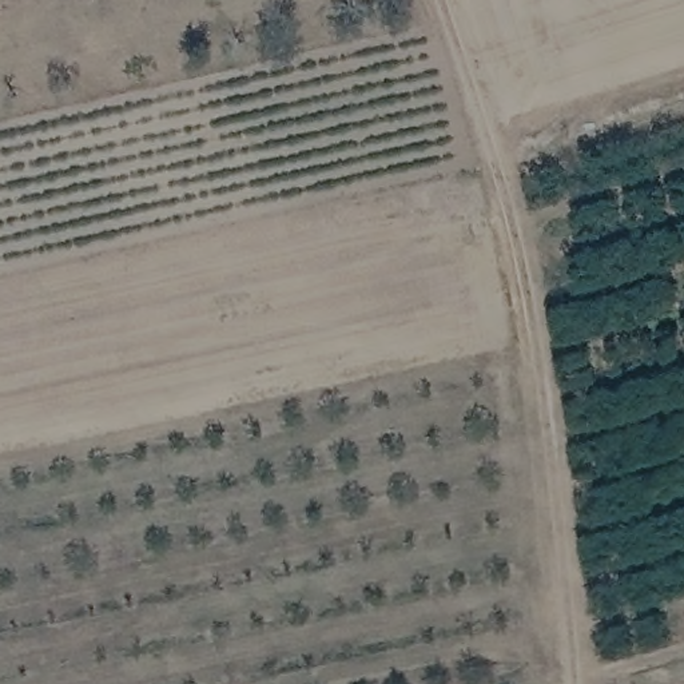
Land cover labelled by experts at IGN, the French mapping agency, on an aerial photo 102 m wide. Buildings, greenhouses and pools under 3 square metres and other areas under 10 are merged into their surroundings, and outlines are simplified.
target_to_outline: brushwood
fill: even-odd
[[[118,163],[131,163],[152,155],[195,150],[203,147],[203,139],[0,182],[0,190],[53,182],[80,171],[110,168]]]
[[[267,195],[251,195],[232,203],[216,203],[208,208],[195,208],[174,216],[160,216],[150,222],[136,222],[126,227],[112,227],[91,235],[77,235],[67,240],[0,254],[0,262],[88,246],[96,240],[112,240],[120,235],[214,216],[243,206],[273,203],[363,179],[425,168],[452,160],[452,152],[414,158],[393,166],[321,179],[302,187],[275,190]]]
[[[0,219],[0,227],[72,208],[88,208],[110,200],[147,195],[158,190],[158,184],[131,187],[123,192],[72,200]]]
[[[422,126],[371,134],[366,139],[337,142],[291,155],[262,158],[243,166],[216,168],[195,176],[168,179],[168,187],[211,182],[267,166],[363,147],[385,139],[446,128],[446,120],[433,120]]]
[[[436,77],[438,69],[371,80],[342,91],[222,115],[208,123],[152,131],[142,136],[88,144],[56,155],[43,155],[35,160],[0,166],[0,174],[64,158],[104,152],[115,147],[128,147],[136,142],[168,139],[208,126],[240,123],[281,110],[363,94],[371,88]]]
[[[417,91],[377,96],[369,102],[353,102],[331,110],[267,120],[259,126],[230,131],[219,139],[251,136],[283,126],[313,123],[331,115],[430,96],[441,91],[441,86],[428,86]]]
[[[452,136],[411,142],[366,155],[259,176],[251,182],[184,192],[176,198],[160,198],[150,203],[136,203],[126,208],[112,208],[102,214],[75,216],[0,235],[0,243],[83,227],[104,219],[131,216],[176,203],[190,203],[211,195],[227,195],[283,179],[299,179],[307,174],[414,152],[425,147],[441,147],[449,144]]]
[[[262,99],[270,94],[286,94],[366,72],[393,69],[401,64],[411,64],[411,56],[401,56],[297,83],[259,88],[251,94],[200,102],[198,107],[166,110],[163,118],[182,118],[198,110],[203,112],[214,107]]]
[[[203,91],[222,91],[230,86],[243,86],[289,72],[286,67],[259,69],[251,75],[206,83],[200,88],[168,91],[150,99],[134,99],[88,112],[72,112],[27,126],[0,128],[0,139],[59,128],[69,123],[86,123],[171,99],[190,99]]]
[[[305,139],[355,131],[377,123],[444,112],[446,104],[438,102],[398,110],[366,120],[337,123],[329,128],[267,139],[259,144],[216,150],[211,155],[184,158],[174,163],[160,163],[150,168],[136,168],[115,176],[75,182],[67,187],[0,200],[0,208],[48,200],[56,195],[69,195],[150,174],[214,163],[222,158],[235,158],[257,150],[286,147]]]
[[[307,59],[302,61],[302,69],[371,56],[382,51],[425,45],[425,37],[409,37],[401,43],[379,43],[323,59]]]
[[[0,150],[0,155],[59,144],[61,136],[11,144]]]

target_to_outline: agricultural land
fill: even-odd
[[[251,182],[259,176],[366,155],[411,142],[452,136],[449,144],[441,147],[425,147],[414,152],[307,174],[299,179],[283,179],[227,195],[211,195],[190,203],[176,203],[131,216],[104,219],[83,227],[0,243],[0,254],[67,240],[77,235],[91,235],[112,227],[126,227],[136,222],[150,222],[160,216],[174,216],[195,208],[208,208],[216,203],[232,203],[251,195],[267,195],[275,190],[302,187],[321,179],[393,166],[414,158],[452,152],[452,160],[425,168],[363,179],[273,203],[243,206],[214,216],[120,235],[112,240],[96,240],[88,246],[0,262],[0,452],[56,446],[69,438],[94,438],[110,430],[166,419],[176,428],[179,417],[208,414],[214,409],[267,398],[283,398],[297,395],[305,390],[337,387],[363,377],[406,371],[449,358],[468,358],[489,350],[502,350],[508,345],[505,313],[505,299],[494,267],[492,235],[486,227],[481,227],[481,187],[473,179],[484,174],[484,160],[497,163],[500,174],[516,168],[502,150],[502,139],[494,128],[497,123],[510,123],[513,115],[529,112],[534,107],[569,104],[574,99],[585,99],[601,91],[617,91],[620,86],[628,86],[633,80],[644,80],[684,67],[684,0],[446,0],[452,24],[460,37],[457,48],[452,43],[446,45],[436,11],[428,0],[411,0],[409,27],[403,27],[401,32],[390,32],[385,24],[377,21],[363,21],[358,37],[339,40],[334,24],[329,21],[334,16],[331,0],[294,0],[294,16],[299,21],[302,37],[297,53],[291,59],[259,59],[259,8],[265,0],[0,0],[0,128],[27,126],[72,112],[88,112],[134,99],[150,99],[168,91],[200,88],[206,83],[251,75],[259,69],[286,67],[289,72],[243,86],[230,86],[222,91],[203,91],[190,99],[171,99],[86,123],[69,123],[59,128],[0,139],[0,150],[11,144],[61,136],[59,144],[0,155],[0,166],[35,160],[43,155],[56,155],[88,144],[142,136],[152,131],[208,123],[222,115],[342,91],[371,80],[438,69],[436,77],[371,88],[363,94],[281,110],[240,123],[208,126],[168,139],[136,142],[128,147],[115,147],[104,152],[64,158],[0,174],[0,182],[203,139],[203,147],[195,150],[152,155],[131,163],[118,163],[110,168],[80,171],[53,182],[0,190],[0,200],[67,187],[75,182],[115,176],[136,168],[150,168],[160,163],[174,163],[184,158],[211,155],[216,150],[259,144],[267,139],[329,128],[337,123],[366,120],[398,110],[438,102],[446,104],[444,112],[377,123],[355,131],[305,139],[286,147],[257,150],[235,158],[222,158],[214,163],[150,174],[69,195],[56,195],[48,200],[0,208],[0,219],[72,200],[123,192],[131,187],[158,184],[158,190],[147,195],[110,200],[88,208],[72,208],[0,227],[0,235],[75,216],[102,214],[112,208],[126,208],[136,203],[150,203],[160,198],[176,198],[184,192]],[[182,37],[190,27],[198,24],[206,24],[208,59],[200,75],[192,77],[184,69],[187,53],[182,48]],[[323,59],[379,43],[401,43],[409,37],[425,37],[425,45],[382,51],[371,56],[302,69],[302,61],[307,59]],[[401,56],[411,56],[411,64],[401,64],[393,69],[366,72],[286,94],[270,94],[262,99],[214,107],[203,112],[198,110],[182,118],[163,118],[166,110],[198,107],[200,102],[251,94],[259,88],[297,83]],[[77,64],[80,72],[69,83],[48,86],[48,61]],[[441,91],[430,96],[331,115],[313,123],[283,126],[251,136],[219,139],[230,131],[259,126],[267,120],[331,110],[353,102],[369,102],[377,96],[417,91],[428,86],[441,86]],[[446,128],[385,139],[363,147],[267,166],[211,182],[168,187],[168,179],[195,176],[216,168],[243,166],[262,158],[291,155],[337,142],[366,139],[371,134],[422,126],[433,120],[446,120]]]

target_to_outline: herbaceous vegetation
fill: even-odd
[[[676,331],[684,334],[684,262],[676,262],[671,273],[676,278],[673,302],[657,305],[657,313],[665,321],[660,321],[657,326],[617,331],[623,342],[641,339],[649,347],[660,347],[665,339],[673,339]]]
[[[620,86],[617,91],[601,91],[585,99],[574,99],[569,104],[534,107],[529,112],[513,115],[510,123],[497,123],[494,128],[502,139],[502,150],[516,168],[521,182],[532,179],[537,171],[556,166],[572,174],[585,152],[599,155],[607,144],[615,142],[644,142],[665,128],[684,123],[684,67],[644,80],[633,80],[628,86]]]
[[[623,187],[625,192],[644,192],[663,190],[673,182],[684,182],[684,168]]]
[[[569,273],[564,254],[577,257],[582,251],[609,248],[628,238],[628,227],[615,227],[593,240],[572,243],[574,232],[569,227],[569,206],[582,208],[612,200],[612,190],[577,195],[572,203],[558,198],[556,203],[529,208],[529,216],[542,230],[537,238],[537,251],[542,265],[542,286],[548,291],[545,307],[556,310],[569,302],[569,291],[564,289]]]
[[[302,419],[297,425],[283,422],[283,398],[267,398],[214,409],[208,414],[179,417],[176,428],[166,419],[110,430],[94,438],[69,438],[56,446],[0,452],[0,684],[428,684],[428,665],[446,668],[460,663],[465,655],[492,660],[492,671],[484,673],[481,681],[470,684],[561,684],[561,660],[550,657],[542,649],[540,636],[534,633],[529,607],[532,593],[540,588],[532,476],[545,468],[545,460],[537,406],[524,401],[518,382],[521,358],[516,313],[505,313],[508,345],[502,350],[489,350],[468,358],[449,358],[406,371],[363,377],[337,387],[305,390],[297,395],[302,409]],[[347,398],[347,414],[342,417],[342,422],[329,422],[326,417],[321,417],[318,406],[337,398]],[[470,441],[465,436],[462,422],[476,403],[489,406],[500,417],[497,438]],[[219,449],[174,452],[168,433],[200,436],[206,425],[222,425]],[[395,460],[390,460],[390,457],[387,457],[385,446],[379,444],[379,436],[385,436],[385,433],[393,433],[393,436],[403,436],[403,454],[401,454],[401,457],[395,457]],[[358,465],[353,470],[339,470],[337,465],[334,454],[339,441],[353,441],[358,449]],[[147,454],[142,462],[136,457],[115,457],[107,462],[107,470],[102,473],[91,468],[88,452],[94,446],[104,452],[128,452],[136,444],[147,444]],[[291,478],[294,446],[307,446],[315,454],[313,473],[305,481]],[[53,457],[72,460],[72,476],[67,481],[53,476],[51,481],[27,484],[24,489],[13,484],[13,468],[24,468],[27,473],[40,470],[48,468]],[[179,476],[238,476],[254,470],[257,460],[267,460],[273,465],[273,484],[262,484],[259,478],[254,478],[251,484],[232,486],[227,492],[208,492],[192,497],[190,502],[176,497]],[[476,473],[481,465],[489,465],[492,460],[500,465],[497,492],[486,489]],[[417,500],[395,502],[387,497],[390,476],[398,470],[409,473],[417,481]],[[363,516],[350,516],[347,510],[342,510],[339,489],[347,481],[358,481],[369,489],[369,508]],[[27,529],[29,518],[59,516],[61,502],[72,502],[77,510],[69,526],[45,532]],[[166,550],[152,550],[147,545],[147,526],[163,526],[168,532]],[[83,580],[77,580],[64,561],[64,545],[72,540],[86,540],[91,553],[96,556],[96,566],[88,569]],[[184,596],[168,604],[142,604],[142,596],[158,593],[166,585],[192,585],[208,582],[214,577],[222,577],[222,590]],[[379,607],[371,604],[369,609],[355,615],[321,620],[321,609],[329,607],[334,596],[350,601],[361,596],[366,585],[377,585],[385,590]],[[385,639],[403,639],[422,628],[452,628],[460,612],[465,612],[468,620],[473,620],[489,617],[492,609],[521,612],[521,620],[508,620],[505,631],[500,633],[494,631],[481,636],[460,636],[454,641],[422,641],[409,649],[390,649],[374,655],[374,660],[326,663],[278,676],[262,673],[265,657],[294,663],[323,644],[374,644]]]
[[[671,641],[665,647],[631,657],[639,671],[620,673],[615,679],[596,679],[593,684],[684,684],[684,596],[665,601],[663,609],[636,612],[639,620],[660,623],[665,617]]]
[[[607,377],[604,371],[609,371],[612,366],[604,350],[615,353],[612,334],[607,334],[604,339],[590,339],[590,345],[564,345],[550,353],[553,363],[564,361],[566,355],[582,355],[588,350],[590,366],[601,371],[585,387],[588,398],[593,398],[599,390],[617,390],[633,379],[652,379],[684,369],[684,353],[679,353],[671,363],[623,369],[615,377]]]

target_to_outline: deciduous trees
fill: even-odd
[[[294,0],[265,0],[259,8],[259,59],[291,59],[297,53],[302,37],[299,21],[294,16]]]
[[[222,590],[222,577],[214,577],[208,582],[192,585],[166,585],[158,593],[142,596],[142,604],[168,604],[184,596]]]
[[[88,569],[96,566],[96,556],[91,553],[86,540],[72,540],[64,545],[64,561],[77,580],[83,580]]]
[[[291,478],[305,481],[313,473],[315,454],[307,446],[294,446]]]
[[[334,24],[339,40],[358,37],[363,21],[377,21],[385,24],[390,32],[401,32],[403,27],[409,27],[411,0],[331,0],[334,16],[329,21]]]
[[[302,419],[302,409],[297,395],[283,398],[283,422],[297,425]]]
[[[342,422],[342,417],[347,414],[347,398],[337,398],[318,406],[321,417],[326,417],[329,422]]]
[[[497,438],[500,417],[489,406],[476,403],[462,422],[465,436],[470,441]]]
[[[369,489],[358,481],[347,481],[339,489],[342,510],[347,510],[350,516],[363,516],[369,508]]]
[[[72,460],[53,457],[48,468],[40,470],[27,473],[24,468],[13,468],[13,484],[24,489],[27,484],[51,481],[53,476],[67,481],[72,476]]]
[[[588,350],[582,355],[566,355],[564,361],[553,363],[566,422],[566,460],[574,476],[577,558],[585,580],[588,612],[596,623],[593,647],[601,660],[631,657],[665,647],[671,641],[665,617],[660,623],[639,620],[636,612],[663,609],[665,601],[684,596],[684,369],[652,379],[633,379],[617,390],[599,390],[593,398],[588,398],[585,387],[601,371],[590,366]]]
[[[366,585],[361,596],[350,601],[334,596],[329,607],[321,609],[321,620],[355,615],[369,609],[371,604],[379,607],[385,590],[377,585]]]
[[[219,449],[222,425],[206,425],[200,436],[168,433],[174,452]]]
[[[660,321],[665,321],[657,313],[657,305],[673,302],[676,278],[671,273],[676,262],[684,262],[684,182],[673,182],[663,190],[644,192],[625,192],[623,187],[684,168],[684,123],[665,128],[644,142],[615,142],[607,144],[599,155],[585,152],[572,174],[556,166],[537,171],[532,179],[521,182],[521,192],[529,208],[556,203],[558,198],[572,203],[577,195],[612,190],[612,200],[582,208],[569,206],[569,227],[574,232],[572,243],[593,240],[615,227],[628,227],[628,238],[609,248],[582,251],[577,257],[564,254],[569,273],[564,289],[569,291],[569,302],[556,310],[545,307],[550,353],[564,345],[590,345],[590,339],[604,339],[607,334],[612,334],[615,353],[604,350],[612,366],[609,371],[604,371],[607,377],[615,377],[623,369],[671,363],[679,353],[684,353],[684,334],[676,331],[673,339],[665,339],[660,347],[649,347],[641,339],[623,342],[617,331],[657,326]]]
[[[77,510],[72,502],[61,502],[59,516],[29,518],[27,529],[45,532],[69,526]]]
[[[497,492],[500,465],[492,460],[489,465],[481,465],[476,473],[486,489]]]
[[[492,660],[465,655],[460,663],[446,668],[428,665],[428,684],[470,684],[481,681],[484,673],[492,671]]]
[[[390,476],[387,497],[395,502],[417,500],[417,481],[409,473],[398,470]]]
[[[403,639],[385,639],[374,644],[323,644],[294,663],[265,657],[262,673],[278,676],[326,663],[374,660],[374,655],[390,649],[409,649],[422,641],[454,641],[460,636],[481,636],[494,631],[500,633],[505,631],[508,620],[521,620],[521,612],[492,609],[489,617],[473,620],[468,620],[465,612],[460,612],[452,628],[422,628]]]
[[[339,441],[334,454],[337,465],[339,470],[353,470],[358,465],[358,449],[353,441]]]
[[[254,470],[238,476],[179,476],[176,497],[190,502],[192,497],[208,492],[227,492],[232,486],[251,484],[254,478],[259,478],[262,484],[273,484],[273,465],[267,460],[257,460]]]
[[[166,550],[168,532],[163,526],[147,526],[147,545],[152,550]]]
[[[115,457],[136,457],[142,462],[147,454],[147,444],[136,444],[128,452],[104,452],[94,446],[88,452],[91,468],[102,473],[107,470],[107,462]]]
[[[190,27],[182,37],[182,48],[187,53],[184,69],[192,77],[200,75],[208,59],[206,24],[198,24]]]
[[[48,61],[48,86],[69,83],[80,72],[77,64]]]
[[[385,433],[385,436],[379,436],[379,444],[385,446],[387,457],[390,457],[390,460],[395,460],[395,457],[401,457],[401,454],[403,454],[403,436],[393,436],[393,433]]]

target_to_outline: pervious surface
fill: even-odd
[[[494,267],[505,299],[505,313],[516,313],[521,358],[518,382],[524,401],[537,406],[545,460],[545,468],[532,476],[540,588],[532,593],[529,607],[534,633],[540,636],[542,649],[550,657],[561,660],[561,684],[593,684],[596,679],[615,679],[620,673],[639,671],[631,657],[601,660],[593,647],[596,623],[588,612],[585,580],[577,558],[574,476],[566,460],[566,422],[553,363],[550,353],[545,307],[548,291],[542,286],[542,265],[537,251],[537,238],[542,230],[529,216],[529,208],[521,192],[521,182],[516,168],[500,174],[497,163],[484,160],[484,174],[473,179],[481,187],[481,227],[486,227],[492,235]]]
[[[452,43],[457,48],[460,37],[452,24],[446,0],[428,0],[436,11],[446,45]]]

